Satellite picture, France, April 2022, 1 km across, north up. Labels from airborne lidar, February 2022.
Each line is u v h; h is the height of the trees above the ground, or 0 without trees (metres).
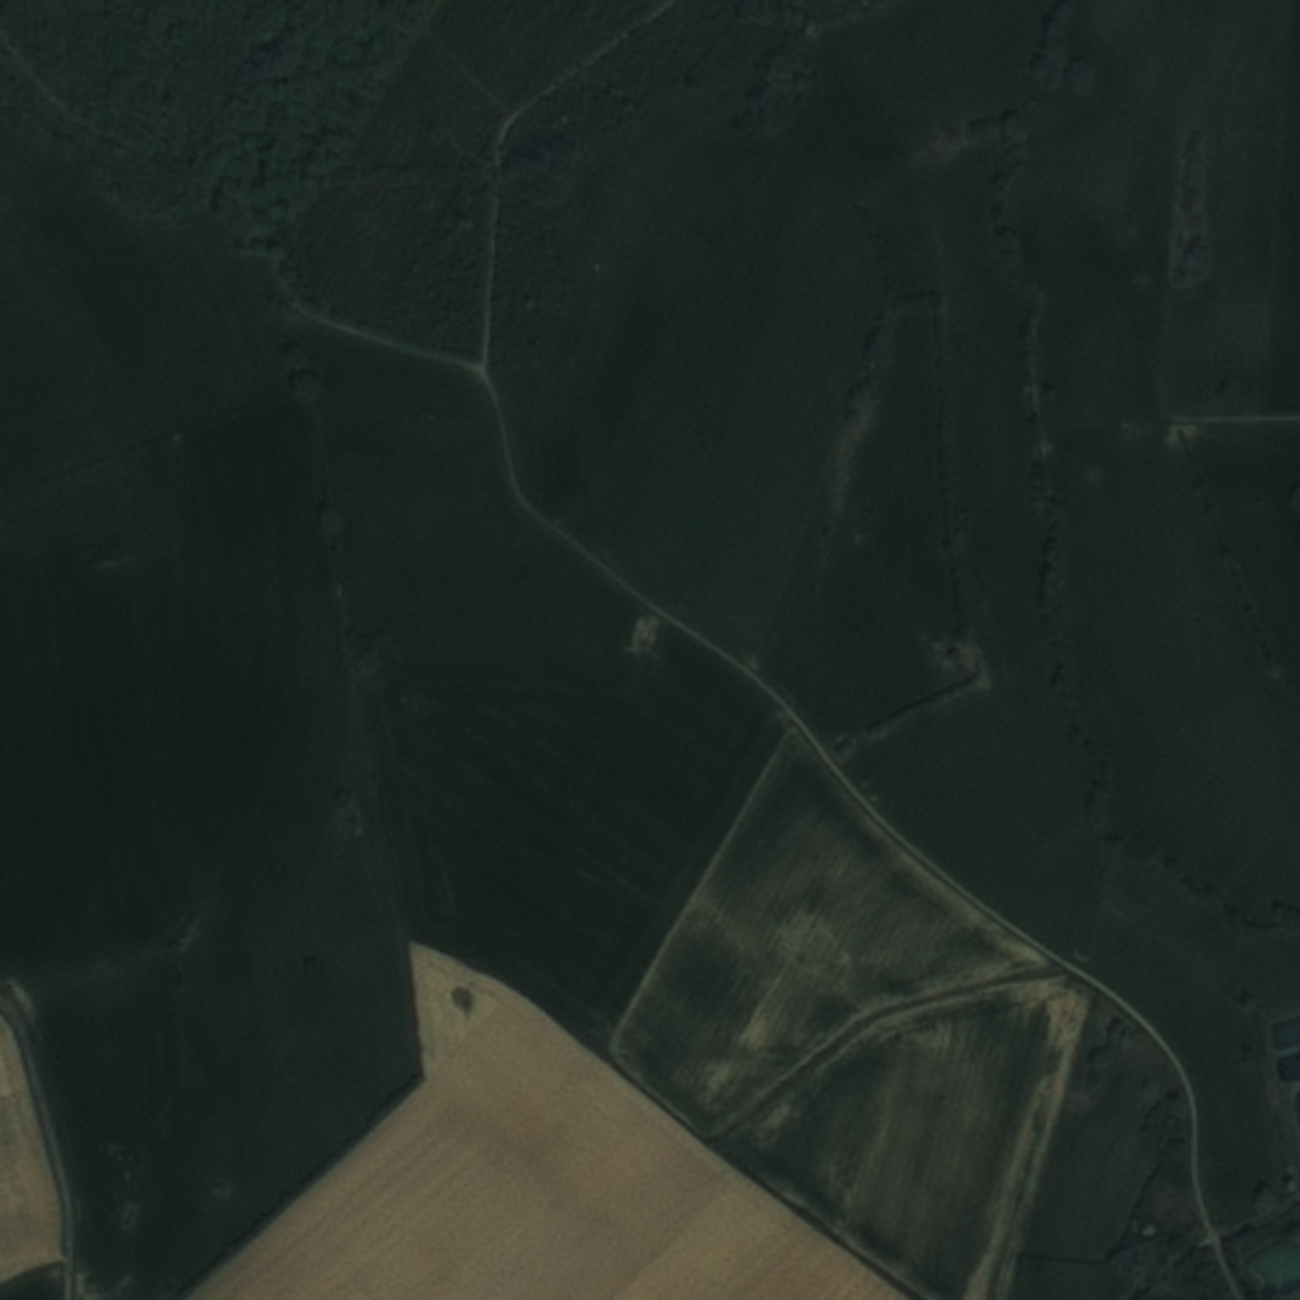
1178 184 0
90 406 0
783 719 0
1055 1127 0
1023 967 0
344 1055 0
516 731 0
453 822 0
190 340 0
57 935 0
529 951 0
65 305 0
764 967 0
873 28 0
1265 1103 0
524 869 0
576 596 0
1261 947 0
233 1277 0
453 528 0
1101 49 0
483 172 9
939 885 0
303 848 0
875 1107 0
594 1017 0
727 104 0
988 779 0
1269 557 0
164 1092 0
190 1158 0
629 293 0
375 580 0
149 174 18
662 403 0
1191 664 0
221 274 0
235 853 0
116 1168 0
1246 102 0
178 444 0
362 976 0
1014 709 0
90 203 0
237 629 0
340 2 25
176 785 0
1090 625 0
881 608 0
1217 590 0
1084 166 0
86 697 0
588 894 0
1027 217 0
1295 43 0
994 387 0
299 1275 0
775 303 0
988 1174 0
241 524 0
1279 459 0
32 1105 0
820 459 0
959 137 14
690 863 0
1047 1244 0
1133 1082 0
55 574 0
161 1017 0
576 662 0
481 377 0
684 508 0
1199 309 0
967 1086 0
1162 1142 7
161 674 0
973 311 0
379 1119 10
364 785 0
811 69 9
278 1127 0
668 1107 0
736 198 0
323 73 22
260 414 0
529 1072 0
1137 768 0
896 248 0
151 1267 0
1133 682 0
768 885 0
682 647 0
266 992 0
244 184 18
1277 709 0
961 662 9
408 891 0
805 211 0
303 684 0
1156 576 0
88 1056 0
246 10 20
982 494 0
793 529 0
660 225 0
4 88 23
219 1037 0
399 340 8
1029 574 0
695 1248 0
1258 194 0
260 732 0
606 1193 0
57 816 0
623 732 0
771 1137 0
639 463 0
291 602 0
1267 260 0
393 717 0
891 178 0
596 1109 0
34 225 0
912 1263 0
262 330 0
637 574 0
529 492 0
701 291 0
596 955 0
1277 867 0
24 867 0
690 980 0
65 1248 0
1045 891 0
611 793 0
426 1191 0
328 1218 0
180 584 0
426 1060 0
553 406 0
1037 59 8
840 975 0
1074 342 0
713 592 0
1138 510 0
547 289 10
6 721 0
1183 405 0
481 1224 0
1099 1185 0
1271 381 0
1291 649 0
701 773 0
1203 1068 0
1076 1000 0
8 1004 0
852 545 0
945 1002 0
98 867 0
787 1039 0
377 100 25
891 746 0
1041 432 13
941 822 0
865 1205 0
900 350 0
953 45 0
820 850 0
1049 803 0
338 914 0
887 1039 0
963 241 0
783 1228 0
